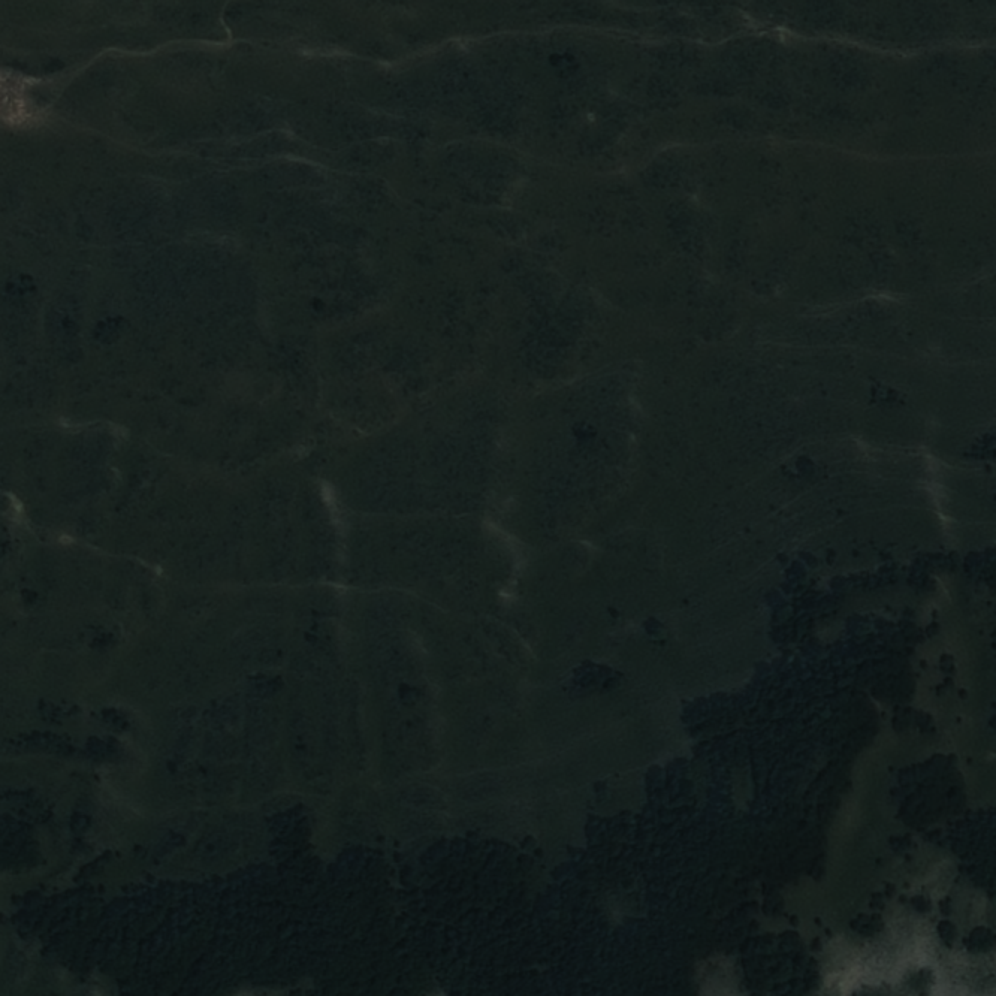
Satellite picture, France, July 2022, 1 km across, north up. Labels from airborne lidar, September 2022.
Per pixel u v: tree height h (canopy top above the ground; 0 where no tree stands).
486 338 0
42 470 0
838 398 0
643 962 16
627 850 10
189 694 0
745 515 0
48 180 0
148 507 0
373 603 0
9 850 12
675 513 0
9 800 7
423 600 0
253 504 0
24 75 0
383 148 0
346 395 0
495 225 0
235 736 0
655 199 0
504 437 0
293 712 0
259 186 0
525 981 15
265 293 0
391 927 17
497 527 0
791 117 0
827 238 0
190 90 0
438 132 0
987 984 0
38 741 8
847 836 0
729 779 6
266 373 0
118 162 0
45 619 0
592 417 0
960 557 10
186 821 0
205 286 0
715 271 0
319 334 0
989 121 0
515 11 0
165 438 0
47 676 0
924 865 0
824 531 0
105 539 0
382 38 0
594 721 0
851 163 0
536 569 0
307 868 14
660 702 0
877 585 7
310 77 0
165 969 10
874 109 0
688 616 0
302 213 0
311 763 0
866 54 0
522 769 0
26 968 0
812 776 6
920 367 0
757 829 10
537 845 9
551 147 0
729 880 17
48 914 19
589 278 0
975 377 0
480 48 0
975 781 0
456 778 0
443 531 0
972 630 0
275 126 0
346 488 0
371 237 0
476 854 19
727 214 0
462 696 0
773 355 0
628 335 0
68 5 0
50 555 0
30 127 0
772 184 0
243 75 0
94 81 0
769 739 13
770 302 0
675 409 0
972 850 14
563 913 16
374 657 0
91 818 13
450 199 0
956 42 0
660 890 10
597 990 13
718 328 0
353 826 0
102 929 16
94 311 0
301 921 19
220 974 10
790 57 0
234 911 19
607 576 0
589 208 0
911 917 0
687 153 0
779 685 13
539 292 0
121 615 0
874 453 0
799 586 11
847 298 0
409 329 0
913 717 11
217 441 0
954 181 0
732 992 0
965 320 0
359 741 0
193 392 0
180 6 0
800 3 0
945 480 0
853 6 0
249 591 0
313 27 0
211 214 0
